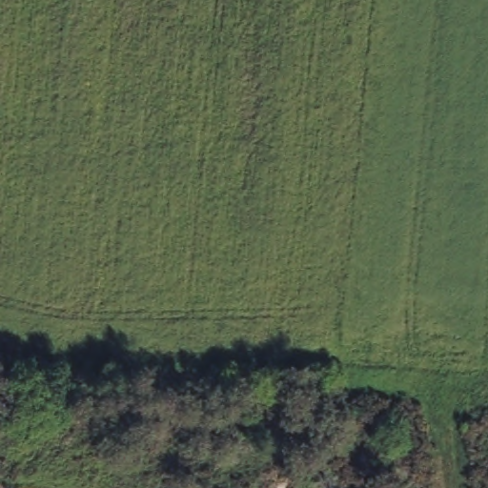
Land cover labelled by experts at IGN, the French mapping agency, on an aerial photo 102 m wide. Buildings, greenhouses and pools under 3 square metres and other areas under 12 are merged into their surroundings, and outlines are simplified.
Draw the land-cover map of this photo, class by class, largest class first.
<instances>
[{"label":"agricultural land","instance_id":"1","mask_svg":"<svg viewBox=\"0 0 488 488\"><path fill-rule=\"evenodd\" d=\"M0 353L11 356L15 362L36 358L40 374L46 368H59L69 364L74 383L86 381L90 385H103L126 377V381L130 383L133 379H141L145 370L152 368L156 372V377L152 387L156 391H162L166 395L168 389H173L177 395H193L198 400H208L217 387L221 391L231 393L242 377H250L255 372H261L265 376L269 370H305L311 364L330 366L332 355L341 358L358 364H362V360H372L393 366L410 364L429 370H488V0H0Z\"/></svg>","mask_w":488,"mask_h":488},{"label":"coniferous trees","instance_id":"2","mask_svg":"<svg viewBox=\"0 0 488 488\"><path fill-rule=\"evenodd\" d=\"M15 362L11 356L0 353V425H8L19 419V393L10 395L8 385L11 368ZM343 372L341 358L332 355L330 366L311 364L305 370H269L265 376L261 372H255L250 377H242L231 393L221 391L217 387L208 400H198L193 395H177L173 389H168L166 395L162 391H156L152 387L156 377V372L152 368L145 370L141 379H133L130 383L126 381V377L103 385H90L86 381L74 383L71 393L65 398L67 410L72 417L71 427L67 431L44 442L27 438L25 442H19L15 446L8 435L0 433V488H19V475H34L38 471H44L48 469V465L55 463L57 457L67 459V477L95 480V463L99 459L105 461L107 457L112 456L120 457L124 461L149 459L154 467L141 471V478L145 480L147 488H429L431 438L427 435L419 400L404 396L402 393H385L372 387L345 389L339 383V376Z\"/></svg>","mask_w":488,"mask_h":488},{"label":"herbaceous vegetation","instance_id":"3","mask_svg":"<svg viewBox=\"0 0 488 488\"><path fill-rule=\"evenodd\" d=\"M343 372L339 376V383L345 389L372 387L385 393H402L404 396L419 400L427 435L431 438L429 488H465L463 467L467 465V454L461 444V437H457L454 414L467 412L473 406L488 402V370H429L410 364L393 366L372 360H362V364H358L341 358ZM154 467L149 459L124 461L120 457L112 456L107 457L105 461L99 459L95 463V480L67 477V459L57 457L55 463L48 465V469L44 471H38L34 475H19V488H147L145 480L141 478V471Z\"/></svg>","mask_w":488,"mask_h":488},{"label":"deciduous trees","instance_id":"4","mask_svg":"<svg viewBox=\"0 0 488 488\"><path fill-rule=\"evenodd\" d=\"M8 385L10 395L19 393V419L8 425H0V433L8 435L15 446L19 442H25L27 438L44 442L67 431L71 427L72 417L67 410L65 398L71 393L74 383L69 364L59 368H46L40 374L36 358L15 362L11 368Z\"/></svg>","mask_w":488,"mask_h":488},{"label":"brushwood","instance_id":"5","mask_svg":"<svg viewBox=\"0 0 488 488\"><path fill-rule=\"evenodd\" d=\"M457 437H461V444L467 454V465L463 467L465 488H488V402L473 406L467 412L454 414Z\"/></svg>","mask_w":488,"mask_h":488}]
</instances>
